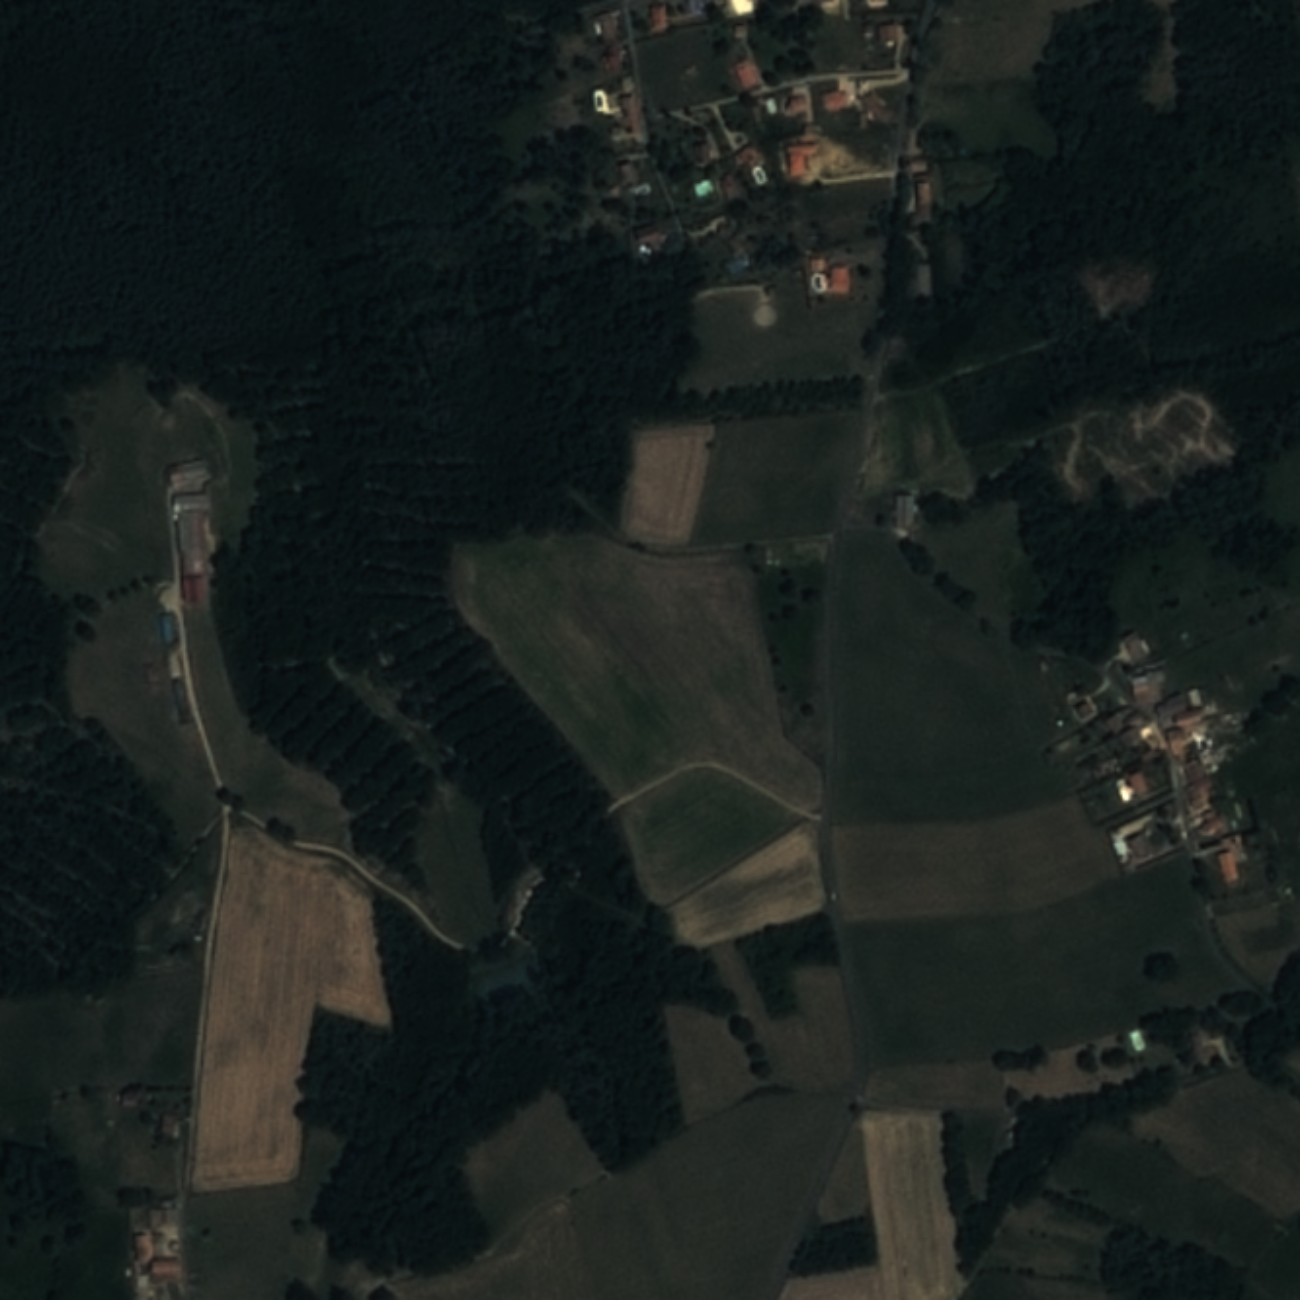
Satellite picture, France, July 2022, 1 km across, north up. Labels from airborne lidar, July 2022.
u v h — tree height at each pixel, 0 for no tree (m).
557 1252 0
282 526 16
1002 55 0
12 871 17
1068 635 19
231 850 0
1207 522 22
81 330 17
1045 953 0
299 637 15
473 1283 0
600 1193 0
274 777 0
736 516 0
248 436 0
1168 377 20
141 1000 0
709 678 0
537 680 0
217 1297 0
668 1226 0
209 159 10
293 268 23
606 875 7
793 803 0
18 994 18
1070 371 16
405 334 18
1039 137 0
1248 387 9
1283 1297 0
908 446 0
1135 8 14
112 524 0
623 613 0
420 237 19
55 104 17
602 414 20
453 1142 19
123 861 16
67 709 13
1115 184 21
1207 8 16
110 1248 0
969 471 0
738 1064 0
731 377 0
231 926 0
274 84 14
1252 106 20
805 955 10
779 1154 0
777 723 0
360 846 13
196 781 0
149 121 16
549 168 16
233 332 19
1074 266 19
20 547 21
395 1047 9
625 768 0
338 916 0
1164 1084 17
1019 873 0
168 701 0
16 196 15
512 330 19
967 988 0
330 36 11
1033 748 0
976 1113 0
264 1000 0
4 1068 0
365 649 21
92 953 21
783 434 0
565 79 14
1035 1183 18
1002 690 0
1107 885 0
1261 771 0
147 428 0
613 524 0
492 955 22
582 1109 21
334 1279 0
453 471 14
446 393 11
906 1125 0
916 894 0
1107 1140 0
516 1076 23
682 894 0
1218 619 0
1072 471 0
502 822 8
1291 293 6
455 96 24
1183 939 0
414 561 15
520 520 16
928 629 0
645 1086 16
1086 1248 0
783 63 12
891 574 0
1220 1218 0
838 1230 9
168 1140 6
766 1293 0
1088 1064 11
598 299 18
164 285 21
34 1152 10
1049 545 27
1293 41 9
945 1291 0
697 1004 15
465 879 0
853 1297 0
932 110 0
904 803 0
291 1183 0
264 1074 0
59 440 13
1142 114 18
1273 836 0
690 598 0
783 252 8
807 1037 0
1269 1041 15
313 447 15
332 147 13
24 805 11
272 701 15
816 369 0
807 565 0
